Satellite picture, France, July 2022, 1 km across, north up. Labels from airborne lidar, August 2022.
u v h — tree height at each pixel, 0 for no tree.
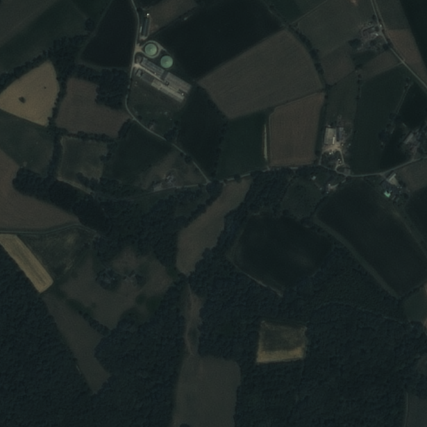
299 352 0
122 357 21
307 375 13
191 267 0
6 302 23
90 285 0
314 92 0
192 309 0
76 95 0
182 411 0
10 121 0
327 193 11
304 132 0
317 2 0
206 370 0
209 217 0
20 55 0
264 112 0
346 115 0
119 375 22
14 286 14
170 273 0
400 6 0
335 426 24
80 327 0
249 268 0
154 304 0
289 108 0
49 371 22
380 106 0
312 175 10
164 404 22
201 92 8
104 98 21
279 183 26
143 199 0
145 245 25
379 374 19
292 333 0
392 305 24
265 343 0
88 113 0
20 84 0
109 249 19
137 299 0
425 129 9
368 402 28
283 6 0
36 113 0
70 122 0
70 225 0
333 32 0
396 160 0
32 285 10
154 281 0
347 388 18
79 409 11
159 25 0
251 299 25
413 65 0
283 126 0
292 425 18
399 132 0
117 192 6
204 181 0
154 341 24
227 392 0
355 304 8
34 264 0
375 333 25
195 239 0
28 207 0
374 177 6
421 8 0
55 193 19
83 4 0
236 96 0
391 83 0
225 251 6
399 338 24
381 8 0
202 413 0
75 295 0
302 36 15
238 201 0
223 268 17
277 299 24
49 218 0
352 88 0
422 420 0
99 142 16
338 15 0
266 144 0
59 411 10
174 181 0
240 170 0
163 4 0
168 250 16
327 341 22
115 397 25
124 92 22
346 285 13
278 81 0
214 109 13
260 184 12
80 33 0
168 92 0
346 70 0
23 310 24
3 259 23
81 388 11
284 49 0
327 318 21
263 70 0
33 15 0
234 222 13
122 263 0
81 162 0
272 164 0
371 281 10
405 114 0
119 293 0
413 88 0
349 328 21
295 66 0
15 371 16
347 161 0
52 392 20
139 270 0
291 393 15
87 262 0
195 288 20
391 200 7
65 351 15
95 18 0
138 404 28
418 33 0
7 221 0
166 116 0
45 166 0
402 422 6
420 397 19
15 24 0
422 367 0
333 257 15
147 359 26
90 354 0
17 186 15
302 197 7
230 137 0
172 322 20
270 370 13
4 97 0
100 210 17
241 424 18
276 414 15
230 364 0
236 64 0
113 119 0
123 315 0
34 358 20
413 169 0
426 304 0
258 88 0
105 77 22
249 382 9
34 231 0
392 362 29
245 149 0
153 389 22
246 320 21
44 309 17
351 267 13
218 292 23
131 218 18
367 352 27
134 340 26
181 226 17
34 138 0
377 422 23
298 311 21
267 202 16
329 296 9
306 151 0
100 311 0
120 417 26
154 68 0
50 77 0
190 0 0
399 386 22
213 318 20
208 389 0
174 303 17
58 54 7
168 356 21
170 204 22
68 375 21
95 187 23
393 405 25
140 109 0
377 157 0
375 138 0
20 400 21
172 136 18
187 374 0
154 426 28
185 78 0
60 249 0
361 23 0
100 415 18
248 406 12
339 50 0
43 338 17
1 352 26
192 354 0
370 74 0
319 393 23
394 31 0
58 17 0
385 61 0
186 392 0
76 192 11
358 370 22
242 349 10
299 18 0
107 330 19
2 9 0
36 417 21
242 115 0
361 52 0
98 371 0
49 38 0
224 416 0
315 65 0
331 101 0
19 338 22
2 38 0
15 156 0
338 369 29
